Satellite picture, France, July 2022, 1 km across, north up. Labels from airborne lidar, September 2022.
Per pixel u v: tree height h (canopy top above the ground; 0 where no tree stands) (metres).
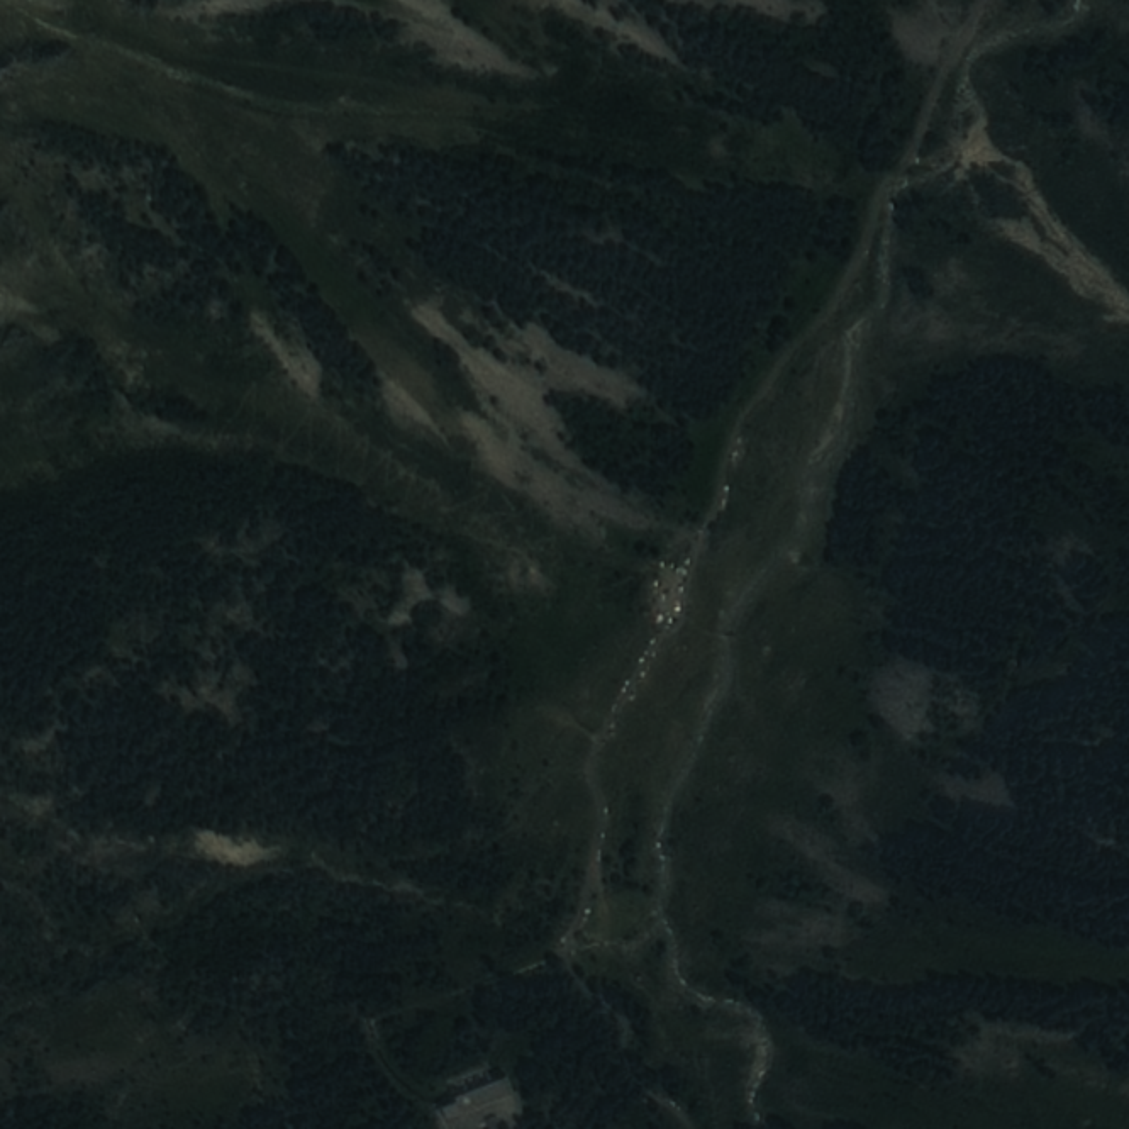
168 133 0
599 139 7
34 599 22
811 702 0
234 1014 10
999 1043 0
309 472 15
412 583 0
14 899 7
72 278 0
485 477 0
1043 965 0
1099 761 0
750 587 0
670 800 0
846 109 22
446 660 16
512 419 0
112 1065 0
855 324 0
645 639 0
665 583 0
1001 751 23
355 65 0
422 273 0
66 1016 0
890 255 0
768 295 23
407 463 0
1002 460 21
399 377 0
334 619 20
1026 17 0
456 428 0
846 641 0
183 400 20
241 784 14
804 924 0
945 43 7
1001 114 0
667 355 14
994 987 15
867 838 0
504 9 0
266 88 0
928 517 21
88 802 21
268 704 23
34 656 19
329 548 15
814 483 0
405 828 21
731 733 0
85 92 0
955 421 15
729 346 27
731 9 10
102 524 16
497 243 18
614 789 0
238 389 0
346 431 0
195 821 10
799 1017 15
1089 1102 0
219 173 0
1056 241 0
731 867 0
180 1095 0
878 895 0
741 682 0
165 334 0
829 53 18
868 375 0
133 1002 0
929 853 21
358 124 0
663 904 0
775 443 0
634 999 10
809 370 0
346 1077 25
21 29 0
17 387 0
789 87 22
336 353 23
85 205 11
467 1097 0
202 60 0
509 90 6
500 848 12
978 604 25
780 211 25
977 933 0
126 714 30
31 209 0
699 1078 0
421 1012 9
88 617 18
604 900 0
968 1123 0
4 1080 0
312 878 7
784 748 0
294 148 0
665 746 0
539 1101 14
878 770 0
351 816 17
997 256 0
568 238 26
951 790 0
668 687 0
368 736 23
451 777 23
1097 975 0
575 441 10
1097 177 0
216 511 16
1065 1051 0
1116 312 0
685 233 15
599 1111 18
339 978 15
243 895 11
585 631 0
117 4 0
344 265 0
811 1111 0
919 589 25
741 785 0
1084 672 16
